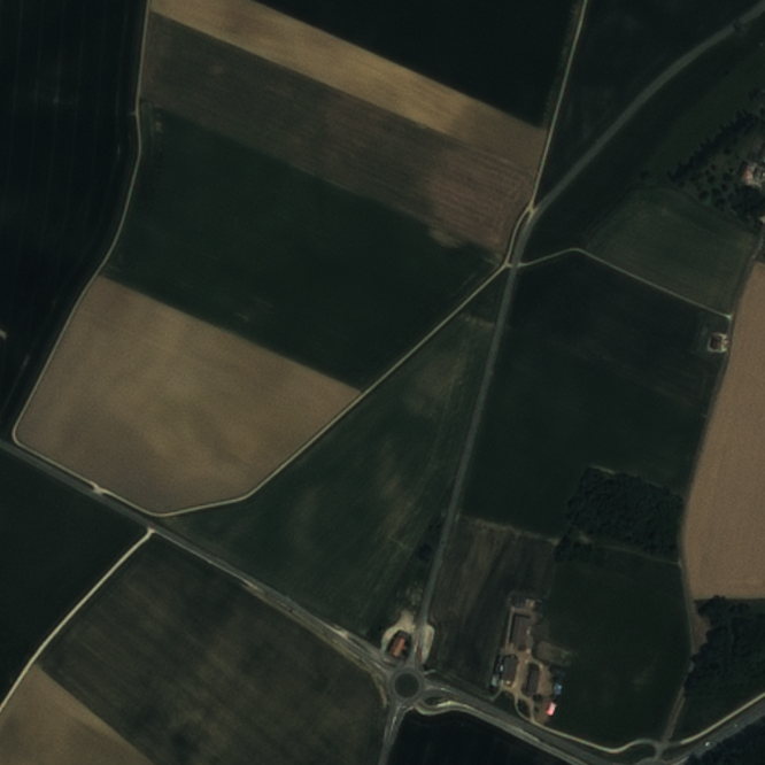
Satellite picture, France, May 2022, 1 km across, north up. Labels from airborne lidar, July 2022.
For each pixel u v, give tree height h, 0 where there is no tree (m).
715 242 0
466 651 0
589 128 0
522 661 0
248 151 0
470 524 0
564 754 0
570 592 0
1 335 0
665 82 0
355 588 0
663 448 0
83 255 0
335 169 0
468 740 0
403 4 0
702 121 0
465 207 0
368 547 0
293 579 0
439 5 0
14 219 0
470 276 0
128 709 0
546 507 0
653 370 0
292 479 0
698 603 0
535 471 0
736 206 13
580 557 18
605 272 0
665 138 0
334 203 0
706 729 0
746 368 0
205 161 0
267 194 0
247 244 0
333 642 0
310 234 0
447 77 0
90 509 0
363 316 0
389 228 0
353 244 0
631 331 0
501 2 0
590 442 0
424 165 0
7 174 0
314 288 0
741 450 0
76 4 0
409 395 0
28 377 0
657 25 0
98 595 0
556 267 0
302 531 0
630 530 15
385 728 0
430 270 0
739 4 0
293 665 0
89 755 0
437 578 0
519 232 0
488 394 0
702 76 0
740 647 16
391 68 0
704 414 0
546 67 0
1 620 0
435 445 0
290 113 0
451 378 0
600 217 0
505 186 0
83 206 0
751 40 0
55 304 0
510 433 0
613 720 0
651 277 0
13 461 0
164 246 0
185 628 0
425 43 0
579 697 0
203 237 0
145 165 0
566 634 0
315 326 0
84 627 0
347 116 0
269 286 0
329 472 0
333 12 0
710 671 16
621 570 0
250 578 0
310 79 0
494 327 0
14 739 0
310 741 0
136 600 0
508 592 0
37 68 0
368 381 0
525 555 0
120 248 0
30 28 0
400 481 0
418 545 0
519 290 0
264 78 0
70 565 0
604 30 0
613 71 0
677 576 0
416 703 0
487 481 0
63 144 0
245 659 0
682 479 0
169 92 0
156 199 0
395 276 0
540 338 0
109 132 0
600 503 15
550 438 0
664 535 11
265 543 0
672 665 0
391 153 0
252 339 0
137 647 0
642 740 0
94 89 0
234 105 0
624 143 0
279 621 0
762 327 0
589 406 0
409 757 0
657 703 0
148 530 0
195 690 0
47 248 0
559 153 0
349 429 0
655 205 0
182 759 0
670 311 0
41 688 0
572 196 0
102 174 0
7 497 0
